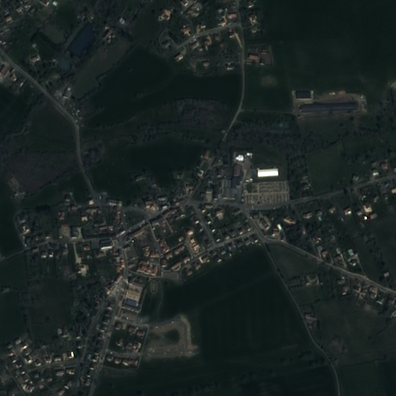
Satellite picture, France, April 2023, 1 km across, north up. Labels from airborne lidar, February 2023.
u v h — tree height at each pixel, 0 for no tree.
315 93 0
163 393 0
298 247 7
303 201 0
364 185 0
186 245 0
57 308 0
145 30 0
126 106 0
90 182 13
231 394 0
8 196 0
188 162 0
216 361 0
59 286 0
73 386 0
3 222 0
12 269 0
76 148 0
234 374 0
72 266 0
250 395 0
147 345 0
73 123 0
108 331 0
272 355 0
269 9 0
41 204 0
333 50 0
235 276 0
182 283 0
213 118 11
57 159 0
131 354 0
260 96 0
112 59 0
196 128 12
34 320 0
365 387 0
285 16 0
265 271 0
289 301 0
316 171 0
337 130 0
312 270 0
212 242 0
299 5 0
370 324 0
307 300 0
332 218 0
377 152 0
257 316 0
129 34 14
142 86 0
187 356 0
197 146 0
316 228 7
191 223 0
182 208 0
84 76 0
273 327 0
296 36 0
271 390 0
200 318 0
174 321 0
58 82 9
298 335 0
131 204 10
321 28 0
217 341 0
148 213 0
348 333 0
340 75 0
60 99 0
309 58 0
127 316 0
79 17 10
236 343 0
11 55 0
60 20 0
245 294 0
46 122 0
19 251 0
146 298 0
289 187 11
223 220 0
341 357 0
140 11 6
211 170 0
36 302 16
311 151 18
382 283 11
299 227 10
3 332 0
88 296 9
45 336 0
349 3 0
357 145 0
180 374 0
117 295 0
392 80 0
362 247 0
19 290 7
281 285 0
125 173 0
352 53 0
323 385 0
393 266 0
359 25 0
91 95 7
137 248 0
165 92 0
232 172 0
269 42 0
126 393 0
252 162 0
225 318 0
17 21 0
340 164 0
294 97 0
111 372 0
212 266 0
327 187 0
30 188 0
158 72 0
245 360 0
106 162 0
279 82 0
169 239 0
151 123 0
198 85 0
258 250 0
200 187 0
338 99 0
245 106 0
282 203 0
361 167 0
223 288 0
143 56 0
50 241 8
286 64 0
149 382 0
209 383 0
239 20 0
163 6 0
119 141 0
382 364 0
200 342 0
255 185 0
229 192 0
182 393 0
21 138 0
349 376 0
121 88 0
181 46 0
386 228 0
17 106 0
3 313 0
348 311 0
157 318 0
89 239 8
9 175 0
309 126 0
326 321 0
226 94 0
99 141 14
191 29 0
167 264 0
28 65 8
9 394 0
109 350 0
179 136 0
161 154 0
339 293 0
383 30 0
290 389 0
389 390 0
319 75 0
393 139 0
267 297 0
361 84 0
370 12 0
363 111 0
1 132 0
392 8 0
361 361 0
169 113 0
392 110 0
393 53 0
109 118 0
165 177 0
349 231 0
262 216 0
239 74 16
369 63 0
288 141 23
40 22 6
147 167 0
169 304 0
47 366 0
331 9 0
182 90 0
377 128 0
